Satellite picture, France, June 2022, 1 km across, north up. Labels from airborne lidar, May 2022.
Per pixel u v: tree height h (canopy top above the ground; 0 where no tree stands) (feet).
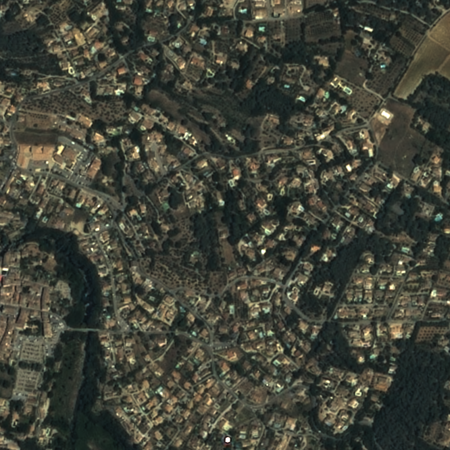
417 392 57
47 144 0
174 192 63
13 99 21
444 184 35
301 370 33
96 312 66
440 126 66
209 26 26
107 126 36
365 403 23
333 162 32
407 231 63
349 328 27
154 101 0
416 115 22
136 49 39
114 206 0
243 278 0
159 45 33
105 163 33
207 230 63
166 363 0
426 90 52
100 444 20
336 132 35
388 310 0
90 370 72
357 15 65
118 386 24
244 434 0
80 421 23
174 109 0
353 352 67
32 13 0
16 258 0
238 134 0
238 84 58
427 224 74
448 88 60
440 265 22
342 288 28
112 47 34
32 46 69
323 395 27
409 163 0
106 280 24
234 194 64
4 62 50
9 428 23
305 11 49
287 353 44
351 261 63
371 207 0
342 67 0
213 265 37
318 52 37
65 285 0
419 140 0
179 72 45
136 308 19
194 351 0
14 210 23
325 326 20
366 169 17
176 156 0
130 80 18
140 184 50
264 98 75
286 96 61
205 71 19
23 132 0
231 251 0
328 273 64
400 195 31
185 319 28
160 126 26
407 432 61
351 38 0
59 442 32
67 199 26
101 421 45
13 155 0
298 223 55
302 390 0
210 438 49
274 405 23
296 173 19
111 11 29
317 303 27
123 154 34
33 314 0
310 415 34
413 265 64
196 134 0
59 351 54
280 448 0
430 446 26
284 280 24
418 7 53
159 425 20
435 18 42
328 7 27
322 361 53
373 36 32
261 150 45
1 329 0
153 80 21
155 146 0
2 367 21
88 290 60
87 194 0
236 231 82
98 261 25
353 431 34
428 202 68
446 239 73
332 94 28
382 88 0
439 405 31
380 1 74
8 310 0
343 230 23
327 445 46
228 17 31
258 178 0
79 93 17
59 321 0
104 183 0
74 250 69
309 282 20
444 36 0
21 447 39
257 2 0
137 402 0
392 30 30
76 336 62
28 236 102
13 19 67
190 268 29
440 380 76
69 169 0
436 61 0
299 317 21
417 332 37
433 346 28
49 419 54
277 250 32
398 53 24
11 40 65
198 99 21
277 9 0
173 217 26
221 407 0
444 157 21
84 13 30
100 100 41
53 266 0
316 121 43
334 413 0
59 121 0
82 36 0
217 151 63
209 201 21
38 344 0
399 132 0
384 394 25
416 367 69
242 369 42
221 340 29
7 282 0
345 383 57
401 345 59
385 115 0
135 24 22
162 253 24
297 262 24
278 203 51
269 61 40
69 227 0
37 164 0
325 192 59
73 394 0
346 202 67
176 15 47
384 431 39
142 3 46
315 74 33
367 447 36
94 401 27
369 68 23
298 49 70
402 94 0
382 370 42
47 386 26
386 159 0
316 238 72
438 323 34
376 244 72
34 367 62
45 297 0
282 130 50
